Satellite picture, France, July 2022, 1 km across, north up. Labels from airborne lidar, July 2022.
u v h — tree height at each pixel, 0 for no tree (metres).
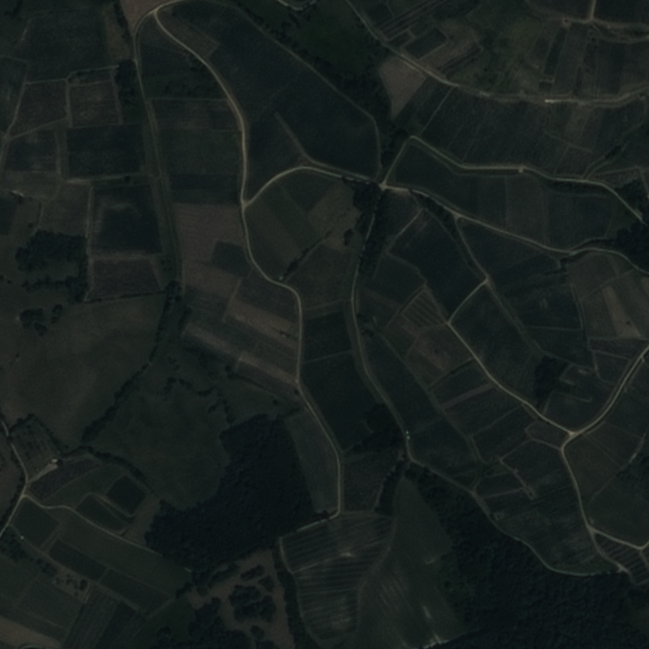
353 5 0
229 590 0
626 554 0
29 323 11
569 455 0
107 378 0
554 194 0
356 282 0
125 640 0
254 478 19
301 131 0
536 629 14
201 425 0
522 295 0
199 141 0
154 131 0
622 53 0
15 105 0
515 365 0
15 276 0
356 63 0
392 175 0
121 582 0
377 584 0
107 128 0
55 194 0
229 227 0
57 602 0
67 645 0
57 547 0
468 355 0
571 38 0
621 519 0
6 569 0
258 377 0
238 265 0
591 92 0
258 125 0
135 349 0
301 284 0
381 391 0
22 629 0
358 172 0
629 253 14
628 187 8
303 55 16
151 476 0
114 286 0
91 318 0
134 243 0
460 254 0
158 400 0
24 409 0
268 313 0
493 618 17
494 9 0
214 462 0
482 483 0
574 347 0
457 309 0
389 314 0
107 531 0
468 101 0
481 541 17
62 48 0
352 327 0
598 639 26
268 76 0
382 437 17
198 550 15
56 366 0
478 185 0
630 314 0
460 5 0
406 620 0
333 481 0
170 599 0
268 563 0
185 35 0
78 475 0
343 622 0
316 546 0
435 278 0
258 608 11
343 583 0
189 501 0
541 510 0
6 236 0
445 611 0
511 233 0
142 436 0
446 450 0
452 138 0
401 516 0
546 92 0
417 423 0
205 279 0
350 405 0
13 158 0
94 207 0
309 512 14
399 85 0
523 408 0
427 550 0
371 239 8
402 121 0
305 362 0
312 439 0
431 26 0
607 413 0
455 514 7
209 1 0
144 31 0
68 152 0
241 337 0
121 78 15
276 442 15
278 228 0
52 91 0
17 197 5
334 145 0
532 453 0
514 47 0
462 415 0
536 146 0
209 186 0
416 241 0
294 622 9
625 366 0
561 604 15
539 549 0
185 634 0
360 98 19
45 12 0
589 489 0
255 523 19
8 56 0
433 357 0
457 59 0
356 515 0
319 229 0
